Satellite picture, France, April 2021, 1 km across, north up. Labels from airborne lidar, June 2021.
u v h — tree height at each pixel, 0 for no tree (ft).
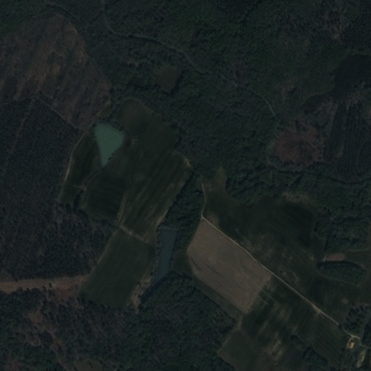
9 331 48
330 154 33
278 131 61
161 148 0
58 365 51
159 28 79
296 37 44
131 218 0
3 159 59
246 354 0
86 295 0
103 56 69
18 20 54
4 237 55
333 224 54
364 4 56
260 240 0
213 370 60
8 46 30
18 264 45
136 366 79
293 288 0
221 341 42
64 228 69
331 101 35
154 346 62
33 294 59
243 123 63
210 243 0
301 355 0
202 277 0
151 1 48
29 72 61
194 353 72
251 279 0
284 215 0
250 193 79
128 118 0
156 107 63
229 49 54
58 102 27
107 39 58
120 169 0
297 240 0
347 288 0
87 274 53
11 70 53
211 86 71
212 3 56
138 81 22
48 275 62
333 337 0
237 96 71
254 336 0
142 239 0
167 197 0
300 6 62
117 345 81
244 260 0
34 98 22
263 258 0
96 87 56
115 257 0
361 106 67
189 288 58
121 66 65
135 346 69
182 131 73
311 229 0
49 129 54
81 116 53
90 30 37
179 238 34
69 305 62
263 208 0
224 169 38
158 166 0
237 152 69
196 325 44
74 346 56
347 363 41
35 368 54
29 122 58
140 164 0
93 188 0
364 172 31
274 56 47
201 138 78
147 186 0
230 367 54
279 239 0
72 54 56
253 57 58
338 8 38
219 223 0
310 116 56
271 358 0
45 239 73
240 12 72
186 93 79
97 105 32
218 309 60
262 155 68
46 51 63
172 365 48
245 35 71
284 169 58
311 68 44
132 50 73
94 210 0
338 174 42
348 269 73
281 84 46
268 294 0
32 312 51
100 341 66
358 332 58
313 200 60
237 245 0
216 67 52
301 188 72
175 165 0
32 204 47
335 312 0
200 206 47
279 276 0
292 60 52
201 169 64
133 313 86
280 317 0
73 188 0
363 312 64
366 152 52
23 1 78
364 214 76
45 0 66
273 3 66
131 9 70
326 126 49
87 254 37
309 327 0
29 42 50
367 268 0
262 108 71
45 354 66
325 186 91
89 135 0
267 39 62
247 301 0
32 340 60
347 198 73
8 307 39
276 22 29
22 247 46
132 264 0
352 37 56
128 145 0
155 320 58
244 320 0
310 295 0
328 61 56
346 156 52
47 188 51
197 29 26
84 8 32
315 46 58
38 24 38
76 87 53
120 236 0
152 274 36
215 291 0
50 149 58
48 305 81
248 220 0
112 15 39
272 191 64
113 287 0
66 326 93
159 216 0
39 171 50
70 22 37
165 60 71
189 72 68
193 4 66
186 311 57
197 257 0
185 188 42
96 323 95
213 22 82
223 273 0
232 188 68
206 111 76
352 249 49
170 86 0
